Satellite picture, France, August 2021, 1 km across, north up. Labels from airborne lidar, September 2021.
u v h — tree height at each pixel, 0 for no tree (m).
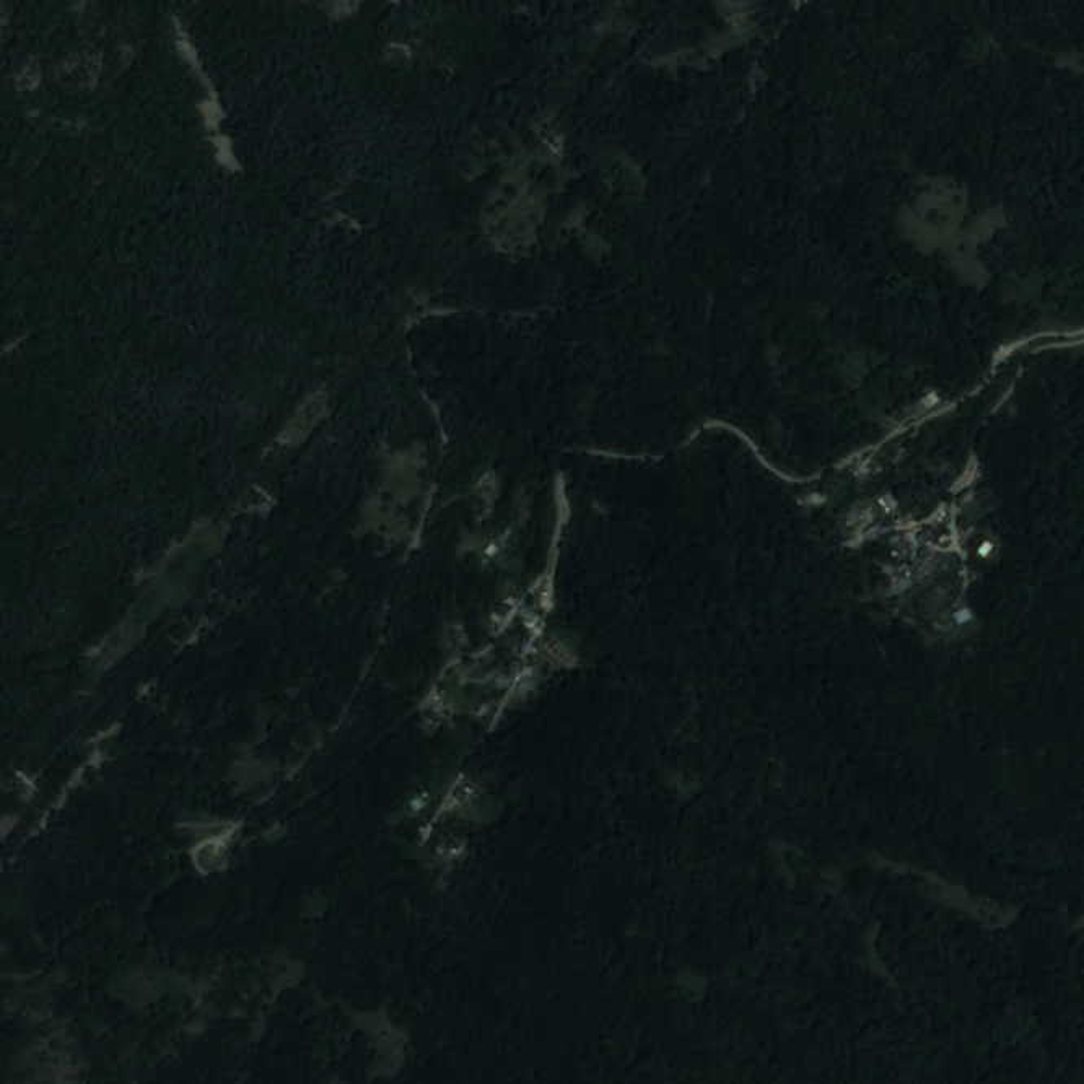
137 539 14
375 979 24
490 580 15
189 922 14
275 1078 18
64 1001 11
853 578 8
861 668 20
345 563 18
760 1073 23
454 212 22
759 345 11
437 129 19
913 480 12
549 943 19
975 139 28
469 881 16
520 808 24
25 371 17
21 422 15
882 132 10
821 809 20
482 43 21
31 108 15
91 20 12
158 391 27
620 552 26
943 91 24
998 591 13
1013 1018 33
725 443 6
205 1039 13
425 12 19
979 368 14
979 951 21
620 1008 23
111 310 17
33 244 7
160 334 17
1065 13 20
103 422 24
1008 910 10
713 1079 25
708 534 21
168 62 25
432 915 12
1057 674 19
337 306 19
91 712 17
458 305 17
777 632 31
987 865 24
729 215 20
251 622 11
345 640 16
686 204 21
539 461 17
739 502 21
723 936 18
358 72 16
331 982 18
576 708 30
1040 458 21
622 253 15
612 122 21
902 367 15
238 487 16
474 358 22
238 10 20
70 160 11
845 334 13
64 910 16
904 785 25
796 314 18
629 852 20
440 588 15
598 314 23
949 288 21
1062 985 23
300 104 26
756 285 7
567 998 17
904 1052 19
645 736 22
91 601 18
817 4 14
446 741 13
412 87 18
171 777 17
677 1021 19
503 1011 21
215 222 21
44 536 20
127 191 14
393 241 21
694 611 21
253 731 11
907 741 19
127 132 14
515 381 28
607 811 27
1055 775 21
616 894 23
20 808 10
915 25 15
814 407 9
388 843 20
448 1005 15
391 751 23
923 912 23
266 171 17
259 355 11
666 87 21
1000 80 10
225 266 21
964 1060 18
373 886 24
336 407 12
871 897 14
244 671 13
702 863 19
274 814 11
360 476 24
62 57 11
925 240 0
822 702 27
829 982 23
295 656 17
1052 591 22
